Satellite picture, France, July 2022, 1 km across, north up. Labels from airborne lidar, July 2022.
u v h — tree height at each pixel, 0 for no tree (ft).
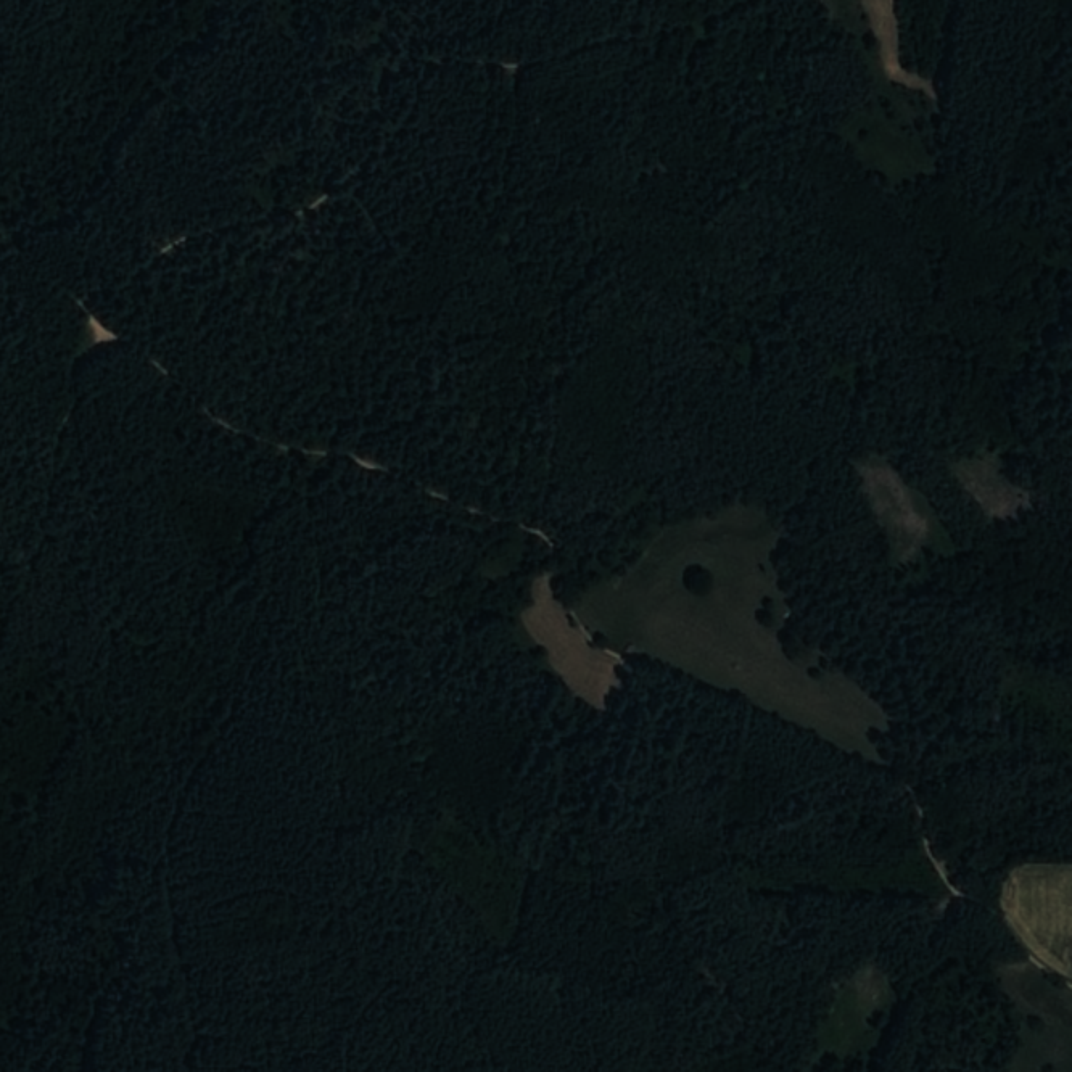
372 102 37
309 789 75
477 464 35
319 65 81
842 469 85
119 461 81
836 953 95
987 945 92
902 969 92
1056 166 135
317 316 64
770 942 83
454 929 78
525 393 27
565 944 61
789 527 73
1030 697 20
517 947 49
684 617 0
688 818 76
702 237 73
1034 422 73
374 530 60
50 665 70
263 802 88
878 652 116
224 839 81
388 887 72
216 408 56
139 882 146
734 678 0
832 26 33
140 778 77
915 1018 92
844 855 63
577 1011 113
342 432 107
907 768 65
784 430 98
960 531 74
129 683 53
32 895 73
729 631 0
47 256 97
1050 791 75
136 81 65
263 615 52
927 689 38
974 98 113
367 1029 84
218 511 25
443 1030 83
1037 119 74
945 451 78
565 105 62
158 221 80
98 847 79
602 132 71
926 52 34
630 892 75
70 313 75
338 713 43
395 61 50
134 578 88
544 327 28
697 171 36
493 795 81
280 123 106
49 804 84
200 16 24
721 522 0
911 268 70
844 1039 0
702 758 76
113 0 60
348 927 79
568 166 77
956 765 25
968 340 54
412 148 79
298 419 78
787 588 63
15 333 88
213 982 100
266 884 75
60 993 77
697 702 118
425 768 67
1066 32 79
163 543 96
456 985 84
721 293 90
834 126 90
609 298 64
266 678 50
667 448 95
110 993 82
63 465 45
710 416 95
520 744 69
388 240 103
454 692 69
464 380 55
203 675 73
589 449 60
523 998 96
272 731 86
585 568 37
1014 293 66
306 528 64
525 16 88
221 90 97
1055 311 69
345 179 96
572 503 68
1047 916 0
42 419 70
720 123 66
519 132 57
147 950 151
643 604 0
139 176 81
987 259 85
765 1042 67
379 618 50
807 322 88
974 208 60
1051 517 101
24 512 75
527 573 55
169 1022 144
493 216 71
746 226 87
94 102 82
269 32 107
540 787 96
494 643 95
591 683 0
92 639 64
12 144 96
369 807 58
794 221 87
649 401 78
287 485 27
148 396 95
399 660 72
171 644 41
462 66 91
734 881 92
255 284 60
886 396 62
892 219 62
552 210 72
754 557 0
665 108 63
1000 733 131
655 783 88
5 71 91
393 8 54
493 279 66
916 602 95
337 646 66
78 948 74
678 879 60
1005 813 22
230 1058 92
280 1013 59
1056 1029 0
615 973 26
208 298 43
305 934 62
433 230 56
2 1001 70
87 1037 49
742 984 85
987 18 98
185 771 73
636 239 60
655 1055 56
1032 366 75
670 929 60
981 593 88
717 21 98
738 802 76
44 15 104
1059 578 79
